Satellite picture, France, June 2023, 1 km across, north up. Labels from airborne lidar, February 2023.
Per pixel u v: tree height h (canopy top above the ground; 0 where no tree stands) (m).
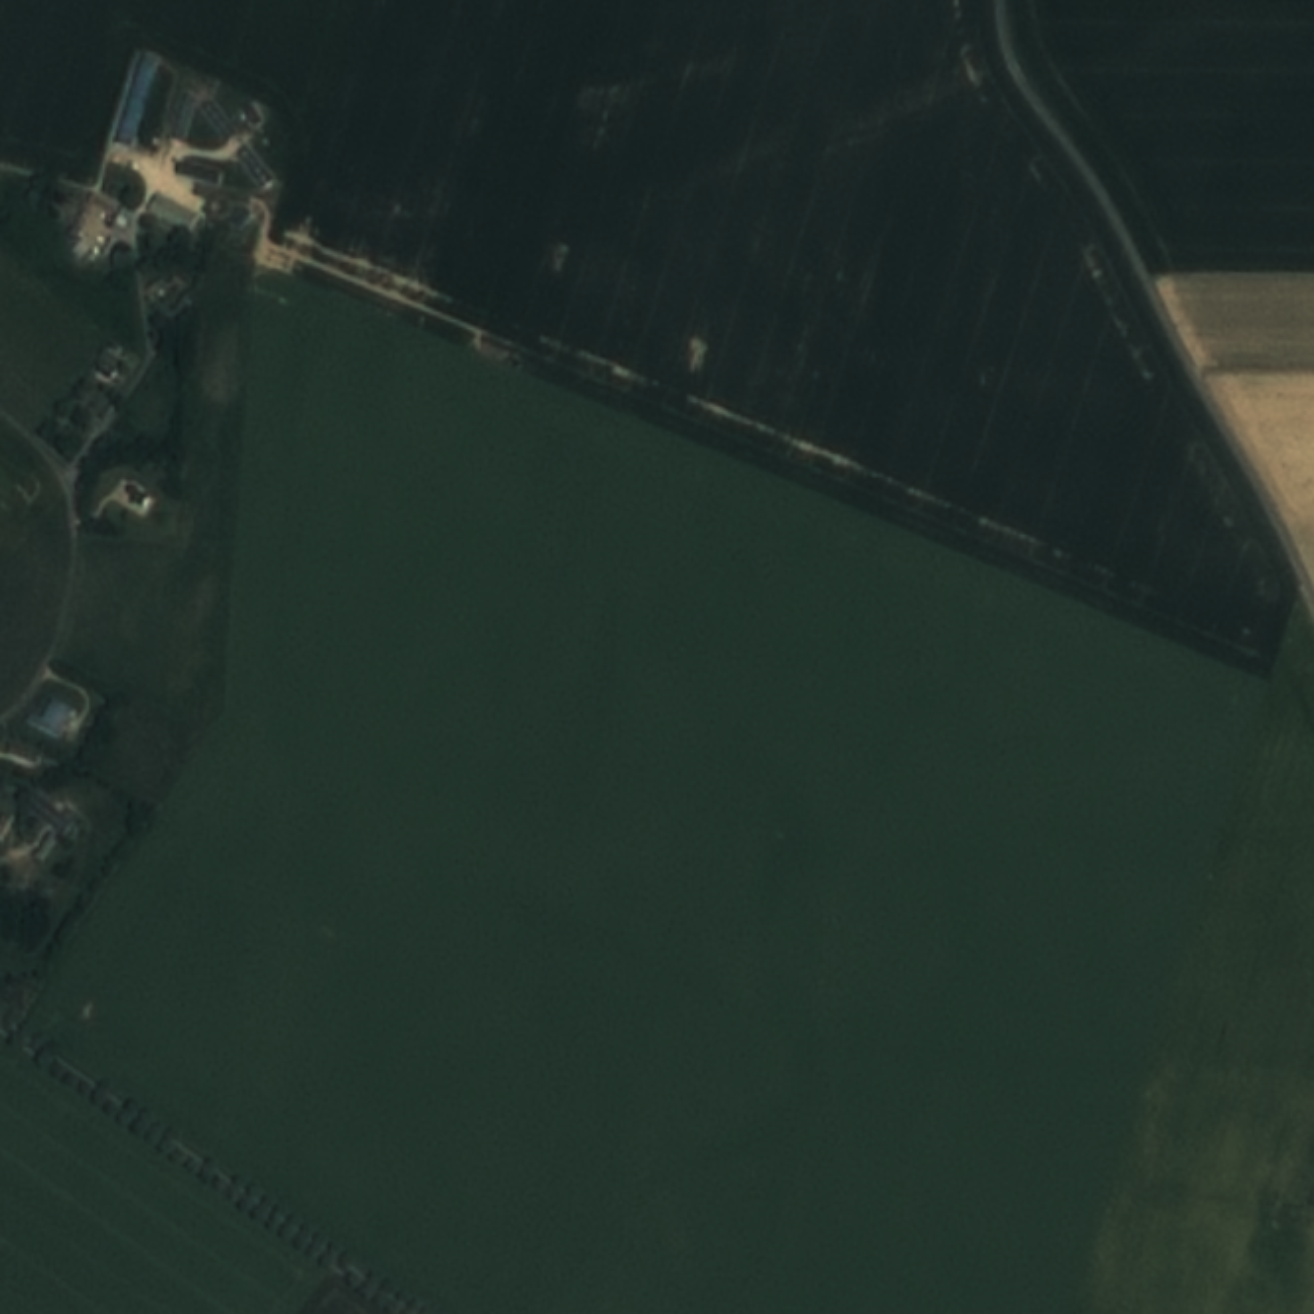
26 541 0
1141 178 0
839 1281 0
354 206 0
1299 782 0
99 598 0
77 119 0
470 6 0
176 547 0
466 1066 0
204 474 0
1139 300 0
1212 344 0
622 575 0
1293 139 0
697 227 0
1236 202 0
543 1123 0
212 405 0
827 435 0
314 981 0
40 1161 0
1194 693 0
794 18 0
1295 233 0
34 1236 0
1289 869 0
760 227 0
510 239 0
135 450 14
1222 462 0
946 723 0
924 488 0
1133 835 0
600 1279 0
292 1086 0
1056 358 0
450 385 0
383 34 0
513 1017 0
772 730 0
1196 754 0
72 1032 0
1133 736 0
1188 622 0
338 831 0
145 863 0
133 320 0
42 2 0
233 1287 0
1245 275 0
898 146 0
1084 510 0
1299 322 0
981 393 0
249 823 0
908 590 0
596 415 0
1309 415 0
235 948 0
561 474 0
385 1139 0
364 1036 0
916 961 0
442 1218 0
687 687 0
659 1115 0
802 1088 0
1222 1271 0
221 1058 0
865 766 0
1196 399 0
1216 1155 0
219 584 0
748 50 0
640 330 0
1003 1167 0
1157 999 0
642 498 0
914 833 0
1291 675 0
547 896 0
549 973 0
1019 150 0
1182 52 0
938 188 0
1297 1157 0
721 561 0
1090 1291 0
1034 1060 0
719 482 0
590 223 0
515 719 0
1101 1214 0
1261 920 0
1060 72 0
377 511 0
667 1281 0
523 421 0
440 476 0
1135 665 0
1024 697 0
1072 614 0
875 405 0
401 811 0
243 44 0
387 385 0
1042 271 0
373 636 0
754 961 0
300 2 0
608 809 0
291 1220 11
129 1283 0
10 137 0
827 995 0
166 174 0
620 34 0
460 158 0
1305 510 0
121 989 0
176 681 0
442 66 0
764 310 0
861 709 0
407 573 0
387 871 0
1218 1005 0
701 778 0
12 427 0
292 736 0
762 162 0
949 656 0
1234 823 0
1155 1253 0
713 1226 0
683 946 0
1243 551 0
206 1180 15
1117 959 0
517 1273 0
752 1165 0
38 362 0
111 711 10
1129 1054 0
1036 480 0
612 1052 0
